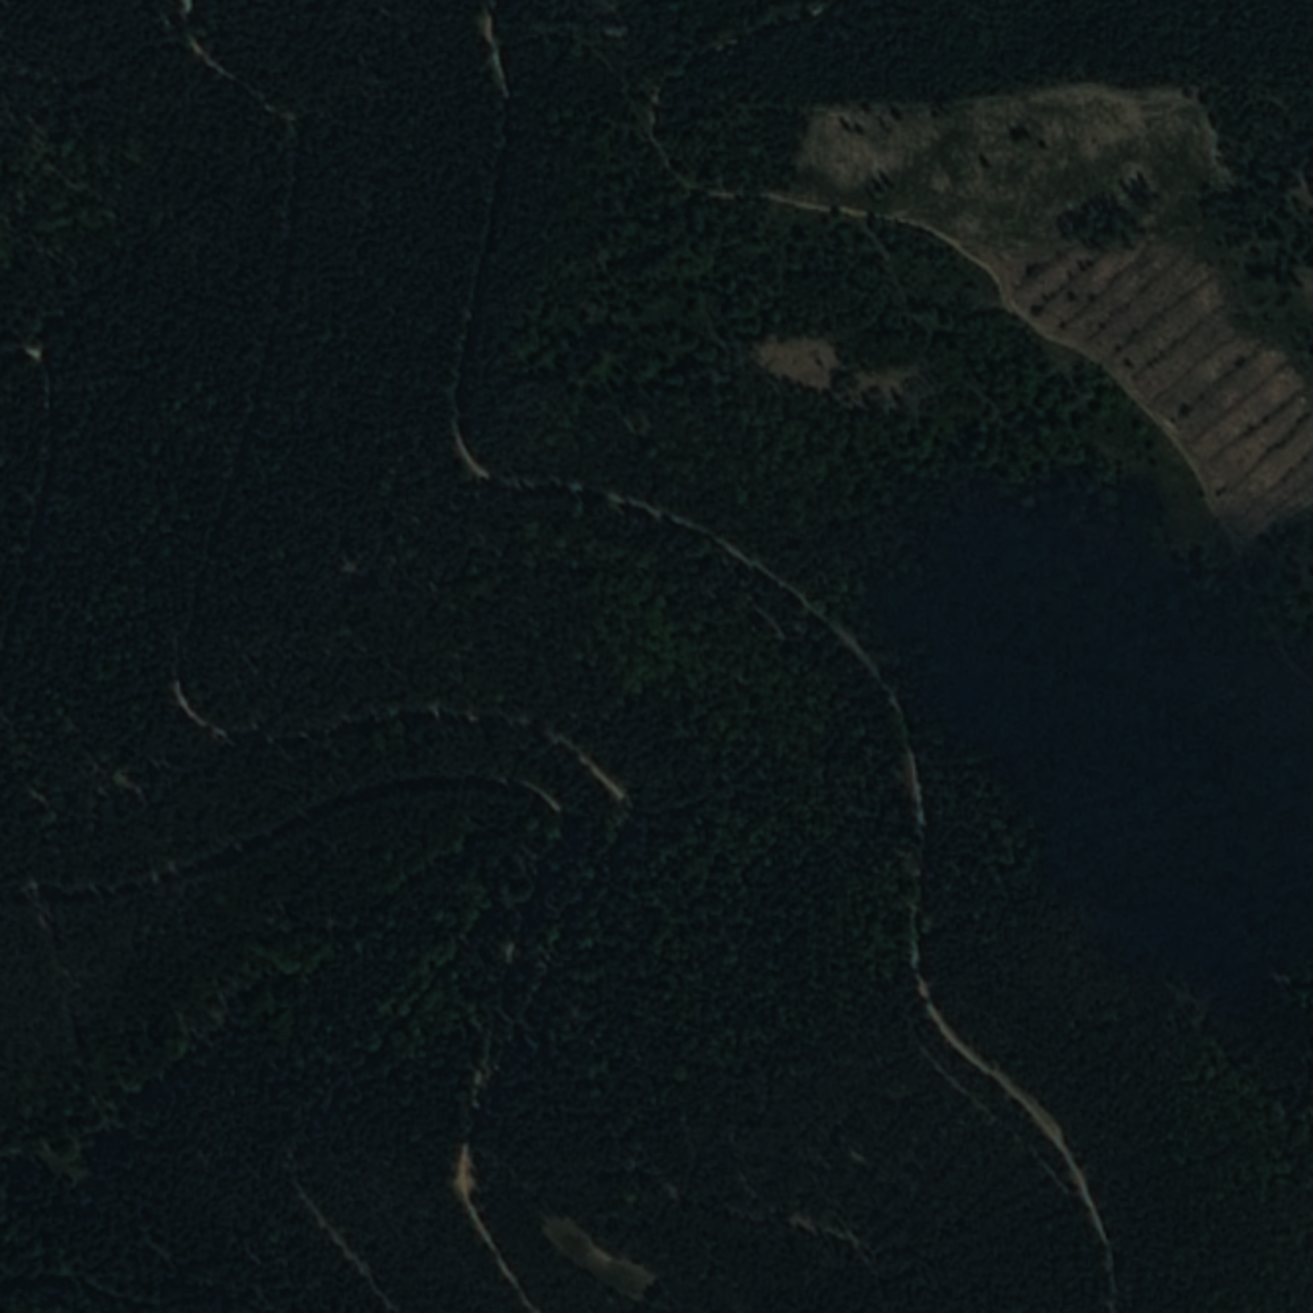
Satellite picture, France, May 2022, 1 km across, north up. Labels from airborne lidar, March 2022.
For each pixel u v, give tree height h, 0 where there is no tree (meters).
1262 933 17
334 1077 27
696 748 21
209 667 24
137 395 24
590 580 22
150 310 24
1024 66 10
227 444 21
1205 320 0
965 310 7
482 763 25
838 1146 20
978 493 25
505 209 13
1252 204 12
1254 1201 16
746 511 20
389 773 21
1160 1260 17
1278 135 8
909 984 22
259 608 25
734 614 23
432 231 22
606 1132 23
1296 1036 16
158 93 20
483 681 23
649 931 30
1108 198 0
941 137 0
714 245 7
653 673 20
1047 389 8
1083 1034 19
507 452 20
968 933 19
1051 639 20
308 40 23
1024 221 0
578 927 26
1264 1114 18
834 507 15
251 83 20
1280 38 10
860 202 0
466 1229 19
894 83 10
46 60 18
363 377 21
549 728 15
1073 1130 19
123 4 23
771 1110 19
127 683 23
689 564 25
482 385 16
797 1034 23
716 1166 21
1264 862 23
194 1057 25
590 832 24
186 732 27
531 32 9
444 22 19
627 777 20
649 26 17
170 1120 26
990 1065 18
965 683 19
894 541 14
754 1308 23
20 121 25
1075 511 24
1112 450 0
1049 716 17
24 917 25
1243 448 0
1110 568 26
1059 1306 17
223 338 22
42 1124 25
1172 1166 18
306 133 21
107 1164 24
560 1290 20
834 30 11
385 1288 25
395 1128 25
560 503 22
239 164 23
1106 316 0
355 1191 22
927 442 10
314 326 19
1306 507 0
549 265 10
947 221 0
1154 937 16
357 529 22
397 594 22
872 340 14
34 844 24
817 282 11
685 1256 18
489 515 20
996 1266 22
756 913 19
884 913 18
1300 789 26
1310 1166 17
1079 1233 18
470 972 29
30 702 26
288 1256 28
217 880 26
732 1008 23
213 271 23
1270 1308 13
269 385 17
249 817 26
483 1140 19
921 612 19
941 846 17
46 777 27
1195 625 18
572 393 21
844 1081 22
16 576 26
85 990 27
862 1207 20
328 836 29
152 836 24
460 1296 25
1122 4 11
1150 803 24
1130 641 9
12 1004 21
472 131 19
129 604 22
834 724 25
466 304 19
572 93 20
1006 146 0
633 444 17
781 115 8
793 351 0
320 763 24
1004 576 22
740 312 21
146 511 20
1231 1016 15
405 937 29
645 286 15
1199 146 0
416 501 20
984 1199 19
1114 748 26
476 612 23
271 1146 21
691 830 28
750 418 19
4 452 28
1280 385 0
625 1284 0
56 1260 24
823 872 21
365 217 22
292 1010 26
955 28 9
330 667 18
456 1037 28
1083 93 0
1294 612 11
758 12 13
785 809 20
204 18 19
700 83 11
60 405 21
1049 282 0
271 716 22
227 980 16
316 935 26
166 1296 28
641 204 10
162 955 27
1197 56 6
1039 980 18
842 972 20
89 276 23
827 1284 21
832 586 18
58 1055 25
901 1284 18
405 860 28
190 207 25
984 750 21
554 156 17
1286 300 8
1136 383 0
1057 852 15
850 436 20
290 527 22
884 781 22
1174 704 9
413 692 23
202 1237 25
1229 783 27
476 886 24
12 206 21
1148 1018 18
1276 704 0
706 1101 23
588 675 23
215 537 18
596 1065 21
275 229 25
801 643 23
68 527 21
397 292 21
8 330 16
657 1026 21
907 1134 19
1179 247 0
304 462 21
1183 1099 11
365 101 23
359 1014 24
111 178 23
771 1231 17
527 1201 17
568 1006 25
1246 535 0
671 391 19
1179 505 0
